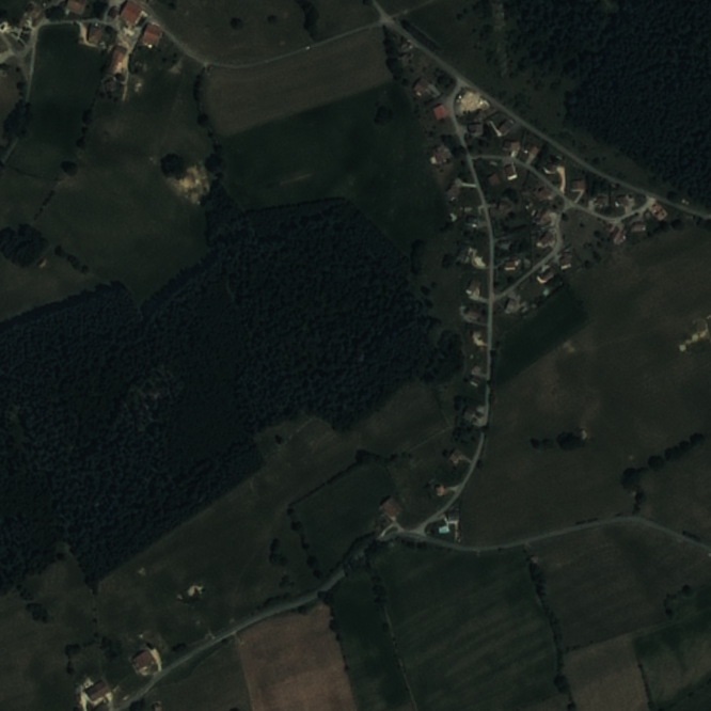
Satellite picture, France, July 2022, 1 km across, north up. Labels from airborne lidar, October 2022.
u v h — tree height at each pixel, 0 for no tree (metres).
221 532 0
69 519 28
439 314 0
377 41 0
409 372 29
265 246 32
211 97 0
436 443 0
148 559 0
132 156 0
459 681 0
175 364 15
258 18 0
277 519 0
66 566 0
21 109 19
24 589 9
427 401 0
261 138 0
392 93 0
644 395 0
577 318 0
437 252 0
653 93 33
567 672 0
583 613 0
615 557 0
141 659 0
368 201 0
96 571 19
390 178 0
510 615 0
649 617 0
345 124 0
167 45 0
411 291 9
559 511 0
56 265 0
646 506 0
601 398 0
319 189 0
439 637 0
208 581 0
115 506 28
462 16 7
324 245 17
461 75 0
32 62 0
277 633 0
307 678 0
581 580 0
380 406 19
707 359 0
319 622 0
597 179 7
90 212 0
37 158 0
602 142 8
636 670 0
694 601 0
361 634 0
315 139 0
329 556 0
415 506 0
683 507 0
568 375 0
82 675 0
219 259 26
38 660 0
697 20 21
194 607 0
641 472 10
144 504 18
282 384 32
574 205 0
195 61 0
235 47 0
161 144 0
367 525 0
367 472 0
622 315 0
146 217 0
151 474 31
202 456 15
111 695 0
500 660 0
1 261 0
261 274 23
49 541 8
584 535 0
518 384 0
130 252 0
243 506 0
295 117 0
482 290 0
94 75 0
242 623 0
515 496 0
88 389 16
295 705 0
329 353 20
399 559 0
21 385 25
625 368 0
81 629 0
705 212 0
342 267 14
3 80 0
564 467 0
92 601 0
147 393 28
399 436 0
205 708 0
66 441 16
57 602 0
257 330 20
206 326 16
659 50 25
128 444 31
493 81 0
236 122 0
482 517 0
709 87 27
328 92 0
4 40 0
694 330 0
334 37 0
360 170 0
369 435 0
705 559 0
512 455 0
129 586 0
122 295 32
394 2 0
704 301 0
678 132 31
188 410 16
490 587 0
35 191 0
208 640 0
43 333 31
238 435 16
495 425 0
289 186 0
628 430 0
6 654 0
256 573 0
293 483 0
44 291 0
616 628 0
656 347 0
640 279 0
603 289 0
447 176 0
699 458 0
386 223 0
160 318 32
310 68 0
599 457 0
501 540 0
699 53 26
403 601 0
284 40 0
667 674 0
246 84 0
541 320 0
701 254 0
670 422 0
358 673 0
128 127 0
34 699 0
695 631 0
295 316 18
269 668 0
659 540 0
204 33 0
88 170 0
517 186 0
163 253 0
